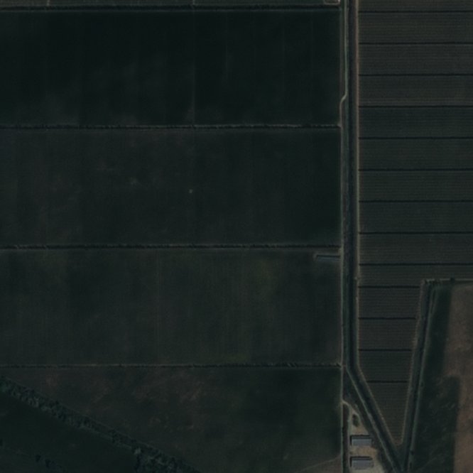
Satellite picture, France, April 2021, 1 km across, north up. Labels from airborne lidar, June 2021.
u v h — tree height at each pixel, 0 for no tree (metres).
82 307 0
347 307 0
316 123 0
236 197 0
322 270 0
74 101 0
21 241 0
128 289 0
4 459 0
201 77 0
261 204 0
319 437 0
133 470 0
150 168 0
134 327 0
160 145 0
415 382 0
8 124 0
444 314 0
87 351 0
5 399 0
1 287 0
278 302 0
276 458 0
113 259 0
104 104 0
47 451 0
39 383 0
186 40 0
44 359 0
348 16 0
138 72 0
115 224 0
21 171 0
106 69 0
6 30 0
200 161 0
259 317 0
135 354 0
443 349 0
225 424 0
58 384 0
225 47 0
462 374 0
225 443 0
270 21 0
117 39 0
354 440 0
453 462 0
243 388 0
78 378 0
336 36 0
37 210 0
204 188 0
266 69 0
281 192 0
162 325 0
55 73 0
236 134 0
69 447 0
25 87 0
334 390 0
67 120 0
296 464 0
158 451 8
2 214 0
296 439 0
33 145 0
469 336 0
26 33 0
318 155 0
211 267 0
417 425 0
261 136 0
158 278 0
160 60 0
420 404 0
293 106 0
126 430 0
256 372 0
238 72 0
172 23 0
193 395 0
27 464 0
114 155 0
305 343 0
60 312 0
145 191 0
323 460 0
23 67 0
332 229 0
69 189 0
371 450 0
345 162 0
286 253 0
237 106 0
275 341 0
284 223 0
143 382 0
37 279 0
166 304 0
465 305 0
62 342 0
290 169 0
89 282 0
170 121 0
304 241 0
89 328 0
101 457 0
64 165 0
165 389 0
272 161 0
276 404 0
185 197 0
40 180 0
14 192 0
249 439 0
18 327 0
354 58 0
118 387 0
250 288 0
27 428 0
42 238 0
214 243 0
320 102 0
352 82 0
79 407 0
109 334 0
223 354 0
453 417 0
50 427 0
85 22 0
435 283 9
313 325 0
